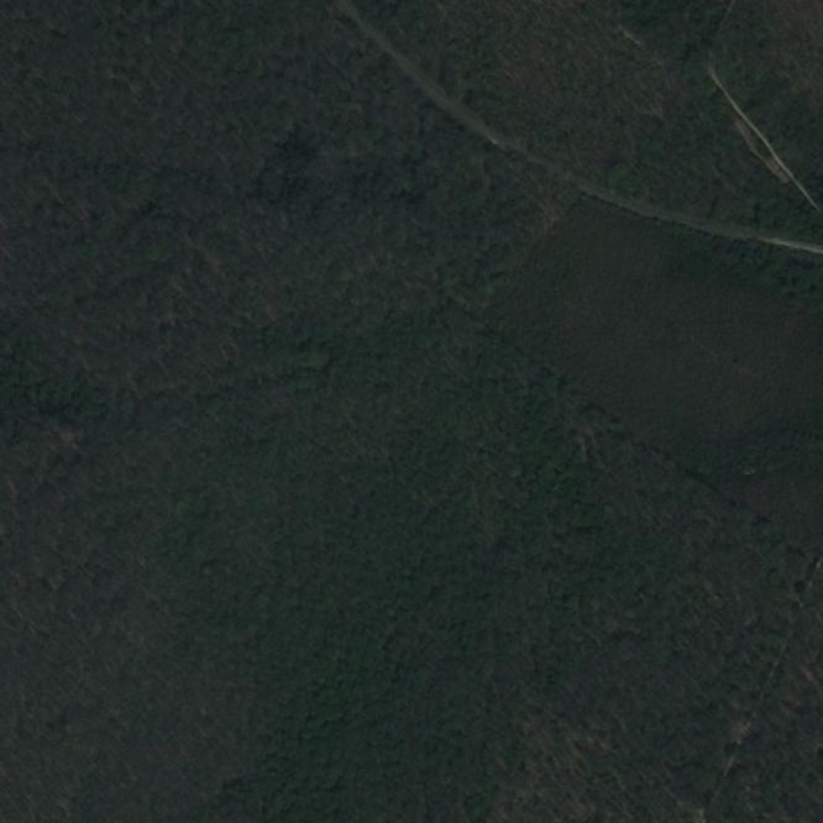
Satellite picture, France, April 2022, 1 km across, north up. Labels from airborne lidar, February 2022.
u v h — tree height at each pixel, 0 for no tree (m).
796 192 7
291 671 29
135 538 34
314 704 25
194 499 29
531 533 32
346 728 26
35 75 26
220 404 29
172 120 30
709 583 32
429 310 30
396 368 30
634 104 25
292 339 26
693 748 29
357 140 30
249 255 30
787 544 19
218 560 27
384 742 30
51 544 31
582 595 23
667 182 29
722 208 30
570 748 33
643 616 26
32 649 28
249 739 28
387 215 31
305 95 33
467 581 29
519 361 28
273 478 26
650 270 11
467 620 27
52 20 26
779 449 21
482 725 28
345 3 0
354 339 25
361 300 28
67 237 30
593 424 26
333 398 32
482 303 27
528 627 31
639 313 11
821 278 31
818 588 29
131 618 30
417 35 28
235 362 30
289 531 30
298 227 30
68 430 28
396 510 27
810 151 20
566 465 25
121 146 29
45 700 32
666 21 21
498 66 26
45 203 29
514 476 30
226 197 30
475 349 24
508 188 28
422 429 28
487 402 33
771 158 10
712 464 21
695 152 31
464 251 32
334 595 27
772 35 24
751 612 29
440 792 30
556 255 10
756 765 26
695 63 29
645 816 30
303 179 20
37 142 25
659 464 31
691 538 31
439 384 26
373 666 29
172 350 30
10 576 30
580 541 30
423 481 28
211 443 29
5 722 31
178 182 29
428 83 0
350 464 28
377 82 30
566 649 27
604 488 31
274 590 23
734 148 32
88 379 28
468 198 29
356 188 26
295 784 27
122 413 30
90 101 29
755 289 11
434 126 28
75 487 27
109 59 28
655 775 28
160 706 29
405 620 28
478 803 30
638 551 27
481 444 29
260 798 30
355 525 27
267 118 34
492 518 29
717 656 31
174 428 33
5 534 31
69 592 23
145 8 28
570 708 31
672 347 8
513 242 29
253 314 28
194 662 31
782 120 17
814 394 9
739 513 27
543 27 0
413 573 24
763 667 27
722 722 27
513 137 23
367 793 25
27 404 27
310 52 28
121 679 28
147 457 33
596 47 26
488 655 29
